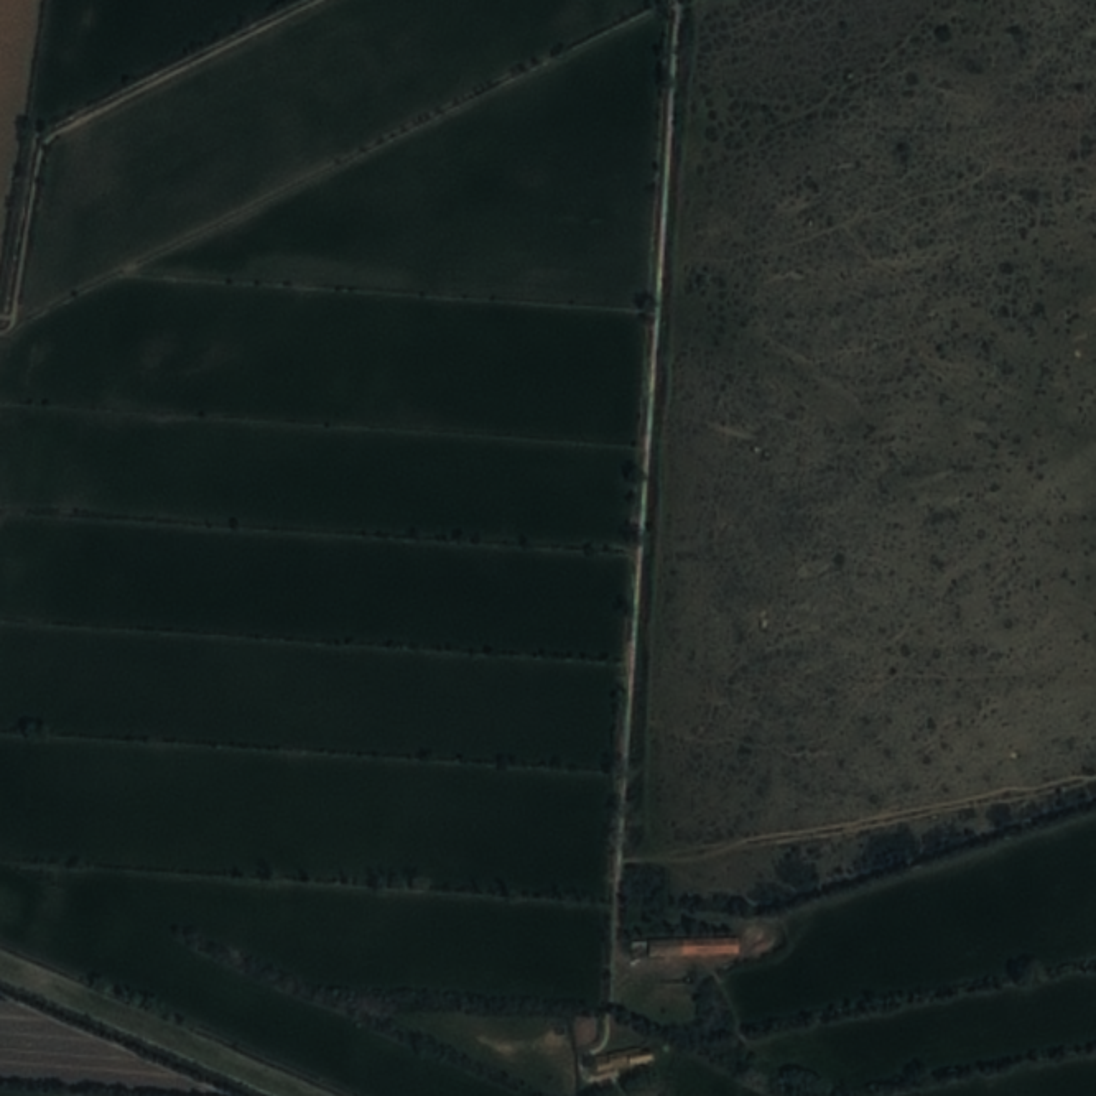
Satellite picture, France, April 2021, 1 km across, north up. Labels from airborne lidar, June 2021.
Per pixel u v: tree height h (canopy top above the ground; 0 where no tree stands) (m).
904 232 0
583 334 0
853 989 0
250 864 0
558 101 0
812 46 0
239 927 0
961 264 0
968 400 0
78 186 0
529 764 7
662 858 0
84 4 0
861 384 0
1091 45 0
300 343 0
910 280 0
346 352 0
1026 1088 0
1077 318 0
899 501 0
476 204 0
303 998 10
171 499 0
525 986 0
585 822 0
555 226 0
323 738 0
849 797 0
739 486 0
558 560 0
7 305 0
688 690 0
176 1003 0
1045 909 0
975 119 0
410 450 0
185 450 0
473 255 0
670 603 0
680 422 0
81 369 0
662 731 0
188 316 0
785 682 0
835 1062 0
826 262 0
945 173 0
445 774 0
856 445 0
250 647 0
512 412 0
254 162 0
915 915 0
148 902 0
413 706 0
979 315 0
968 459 0
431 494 0
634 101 0
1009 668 0
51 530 0
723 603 0
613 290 0
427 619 0
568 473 0
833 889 9
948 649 0
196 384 0
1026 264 0
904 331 0
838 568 0
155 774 0
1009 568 0
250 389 0
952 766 0
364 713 0
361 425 0
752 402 0
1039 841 0
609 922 11
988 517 0
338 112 0
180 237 0
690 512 0
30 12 0
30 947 0
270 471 0
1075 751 0
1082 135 0
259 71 0
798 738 0
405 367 0
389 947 0
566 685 0
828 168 0
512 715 0
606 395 0
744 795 0
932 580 0
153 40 0
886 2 0
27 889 0
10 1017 0
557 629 0
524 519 0
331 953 0
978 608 0
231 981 0
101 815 0
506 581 0
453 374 0
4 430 0
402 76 0
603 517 0
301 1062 0
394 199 0
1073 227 0
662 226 0
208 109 0
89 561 0
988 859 0
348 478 0
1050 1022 0
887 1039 0
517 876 0
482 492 0
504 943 0
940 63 0
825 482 0
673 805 0
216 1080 6
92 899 0
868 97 0
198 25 0
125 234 0
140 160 0
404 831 0
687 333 0
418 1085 0
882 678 0
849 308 0
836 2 0
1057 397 0
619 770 23
